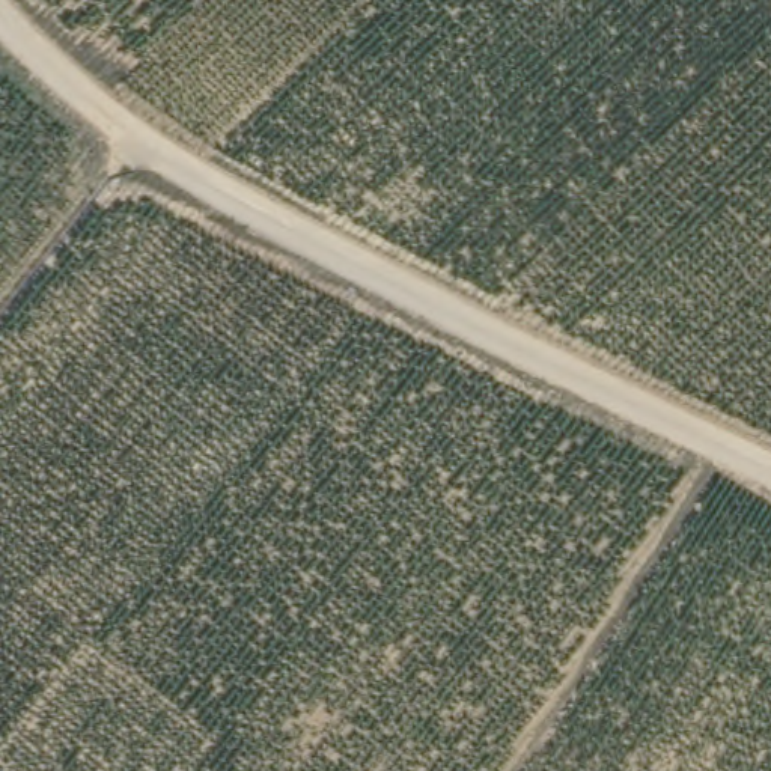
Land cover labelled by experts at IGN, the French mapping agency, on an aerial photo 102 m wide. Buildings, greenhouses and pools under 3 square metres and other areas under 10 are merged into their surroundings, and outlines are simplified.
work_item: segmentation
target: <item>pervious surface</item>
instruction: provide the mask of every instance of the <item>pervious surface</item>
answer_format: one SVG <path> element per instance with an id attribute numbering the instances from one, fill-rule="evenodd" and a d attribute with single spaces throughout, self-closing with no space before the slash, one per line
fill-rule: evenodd
<path id="1" fill-rule="evenodd" d="M 542 376 L 626 419 L 635 428 L 654 431 L 696 452 L 699 458 L 708 458 L 720 473 L 726 473 L 729 479 L 771 503 L 771 449 L 747 437 L 738 437 L 723 425 L 702 419 L 654 392 L 645 392 L 635 382 L 599 370 L 560 346 L 551 346 L 527 331 L 518 331 L 515 325 L 506 325 L 491 313 L 482 313 L 470 301 L 452 295 L 449 289 L 434 286 L 431 280 L 422 280 L 392 265 L 382 256 L 361 250 L 352 241 L 343 241 L 319 223 L 268 199 L 256 187 L 241 184 L 223 169 L 199 160 L 172 139 L 151 130 L 130 108 L 123 108 L 93 75 L 87 75 L 72 57 L 66 57 L 27 15 L 21 15 L 12 0 L 0 0 L 0 45 L 21 66 L 27 66 L 27 72 L 36 81 L 42 81 L 51 90 L 51 96 L 69 105 L 105 139 L 108 172 L 151 169 L 166 181 L 184 187 L 187 193 L 199 196 L 202 202 L 214 205 L 220 214 L 229 214 L 253 232 L 319 262 L 322 268 L 346 280 L 361 283 L 364 289 L 395 301 L 398 307 L 407 307 L 416 316 L 431 319 L 443 331 L 452 331 L 530 370 L 533 376 Z"/>

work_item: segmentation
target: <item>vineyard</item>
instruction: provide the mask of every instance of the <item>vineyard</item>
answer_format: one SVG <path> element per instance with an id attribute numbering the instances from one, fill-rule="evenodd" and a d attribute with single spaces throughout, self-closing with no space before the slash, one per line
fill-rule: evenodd
<path id="1" fill-rule="evenodd" d="M 27 72 L 27 66 L 21 66 L 0 45 L 0 771 L 771 771 L 771 503 L 729 479 L 726 473 L 720 473 L 708 458 L 699 458 L 696 452 L 654 431 L 635 428 L 626 419 L 542 376 L 533 376 L 530 370 L 452 331 L 443 331 L 431 319 L 416 316 L 407 307 L 398 307 L 395 301 L 364 289 L 361 283 L 346 280 L 322 268 L 319 262 L 253 232 L 229 214 L 220 214 L 214 205 L 202 202 L 199 196 L 187 193 L 184 187 L 166 181 L 151 169 L 108 172 L 105 139 L 69 105 L 51 96 L 51 90 L 42 81 L 36 81 Z"/>
<path id="2" fill-rule="evenodd" d="M 431 280 L 434 286 L 449 289 L 452 295 L 470 301 L 482 313 L 491 313 L 506 325 L 515 325 L 518 331 L 527 331 L 551 346 L 560 346 L 599 370 L 635 382 L 645 392 L 654 392 L 702 419 L 723 425 L 738 437 L 747 437 L 771 449 L 771 0 L 12 0 L 21 15 L 27 15 L 66 57 L 72 57 L 87 75 L 93 75 L 123 108 L 130 108 L 151 130 L 172 139 L 199 160 L 223 169 L 241 184 L 256 187 L 268 199 L 319 223 L 343 241 L 352 241 L 361 250 L 382 256 L 392 265 L 422 280 Z"/>

